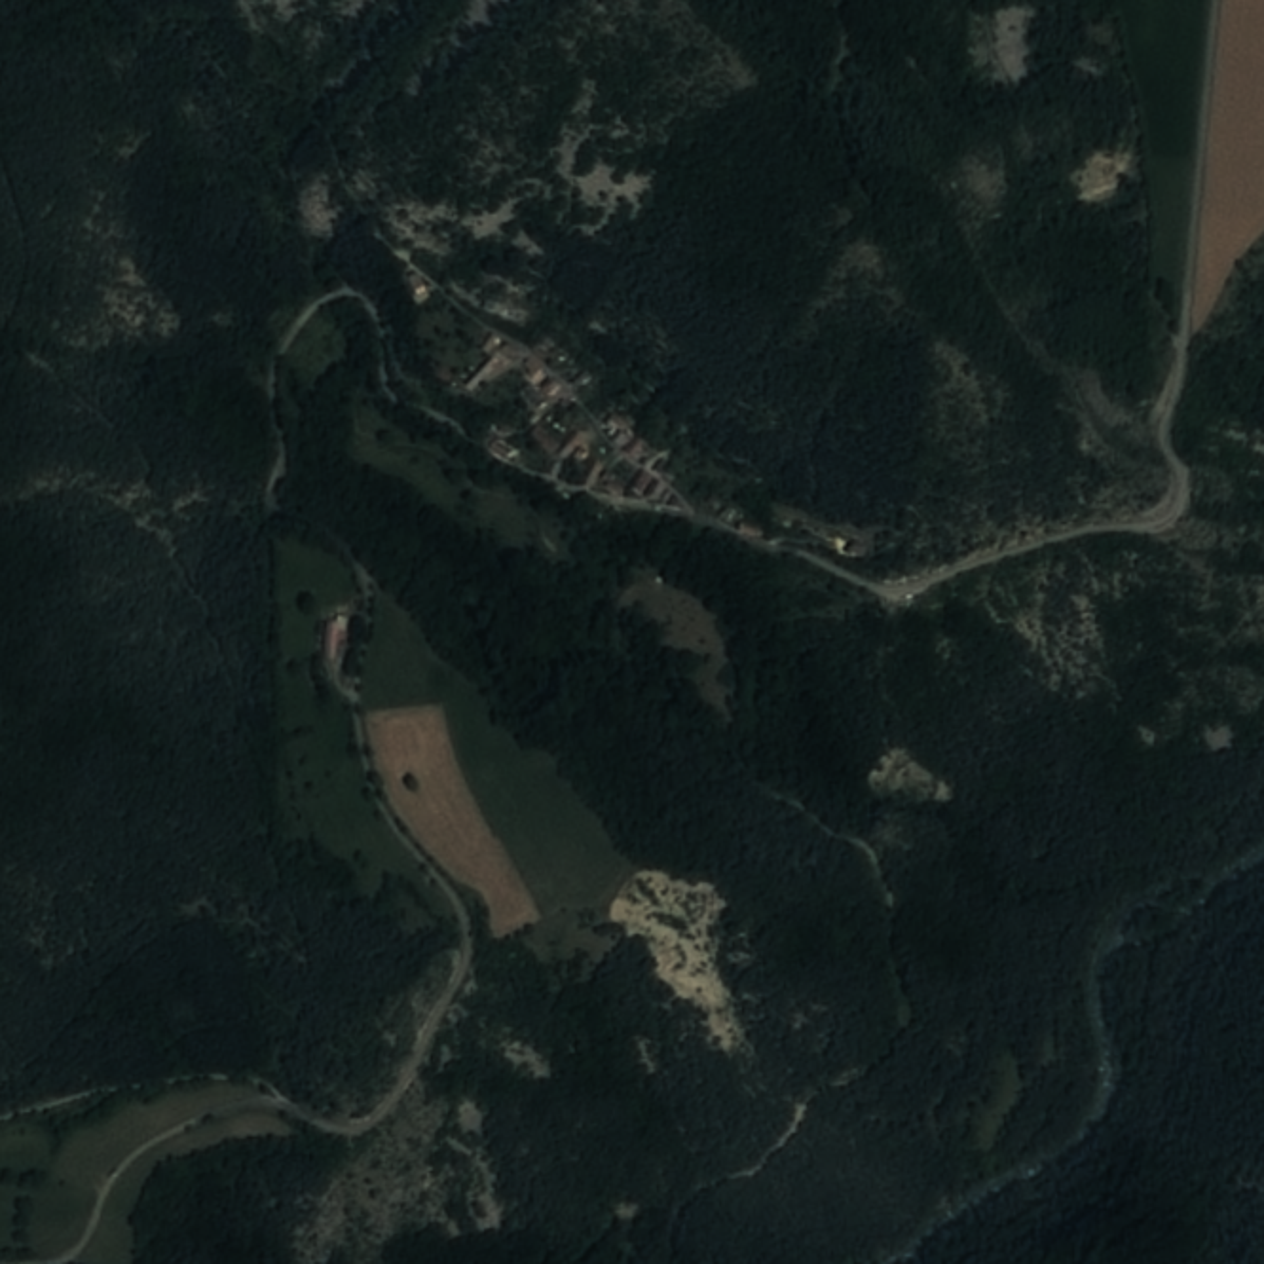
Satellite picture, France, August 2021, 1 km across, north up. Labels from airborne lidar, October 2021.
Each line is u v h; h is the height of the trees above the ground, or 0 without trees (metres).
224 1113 0
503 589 26
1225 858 7
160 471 11
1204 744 6
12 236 11
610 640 13
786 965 14
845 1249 10
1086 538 6
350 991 10
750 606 18
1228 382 6
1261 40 0
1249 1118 15
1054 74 19
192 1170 13
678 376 16
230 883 10
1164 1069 15
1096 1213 29
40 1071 12
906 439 15
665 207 13
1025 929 17
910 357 13
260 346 12
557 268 10
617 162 7
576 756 17
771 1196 8
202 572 10
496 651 30
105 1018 11
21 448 13
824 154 17
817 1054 13
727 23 12
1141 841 14
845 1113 10
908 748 6
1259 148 0
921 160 8
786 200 11
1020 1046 13
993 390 6
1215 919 12
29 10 18
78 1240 0
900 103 14
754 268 14
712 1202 14
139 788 13
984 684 9
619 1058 18
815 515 5
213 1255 22
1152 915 15
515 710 6
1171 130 0
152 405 13
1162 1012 13
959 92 8
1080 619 8
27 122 13
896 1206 8
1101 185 0
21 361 12
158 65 13
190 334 11
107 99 11
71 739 18
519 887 0
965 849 22
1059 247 14
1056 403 7
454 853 0
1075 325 26
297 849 13
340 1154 6
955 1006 15
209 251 16
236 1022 12
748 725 21
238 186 7
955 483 6
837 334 7
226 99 7
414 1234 11
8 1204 0
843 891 16
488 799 0
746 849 16
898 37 15
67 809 12
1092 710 8
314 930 9
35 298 14
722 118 9
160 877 10
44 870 12
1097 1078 10
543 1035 9
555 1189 16
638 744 23
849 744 11
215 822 14
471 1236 14
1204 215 0
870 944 16
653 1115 16
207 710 8
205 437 17
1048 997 19
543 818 0
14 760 10
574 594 16
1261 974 14
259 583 12
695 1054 8
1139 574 5
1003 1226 22
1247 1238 11
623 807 12
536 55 7
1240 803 8
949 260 20
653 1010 9
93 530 9
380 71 19
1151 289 8
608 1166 15
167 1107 0
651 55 8
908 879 17
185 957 15
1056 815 17
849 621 8
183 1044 13
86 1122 12
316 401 21
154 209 14
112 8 17
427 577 25
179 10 7
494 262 19
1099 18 7
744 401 7
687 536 9
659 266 9
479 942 9
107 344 8
